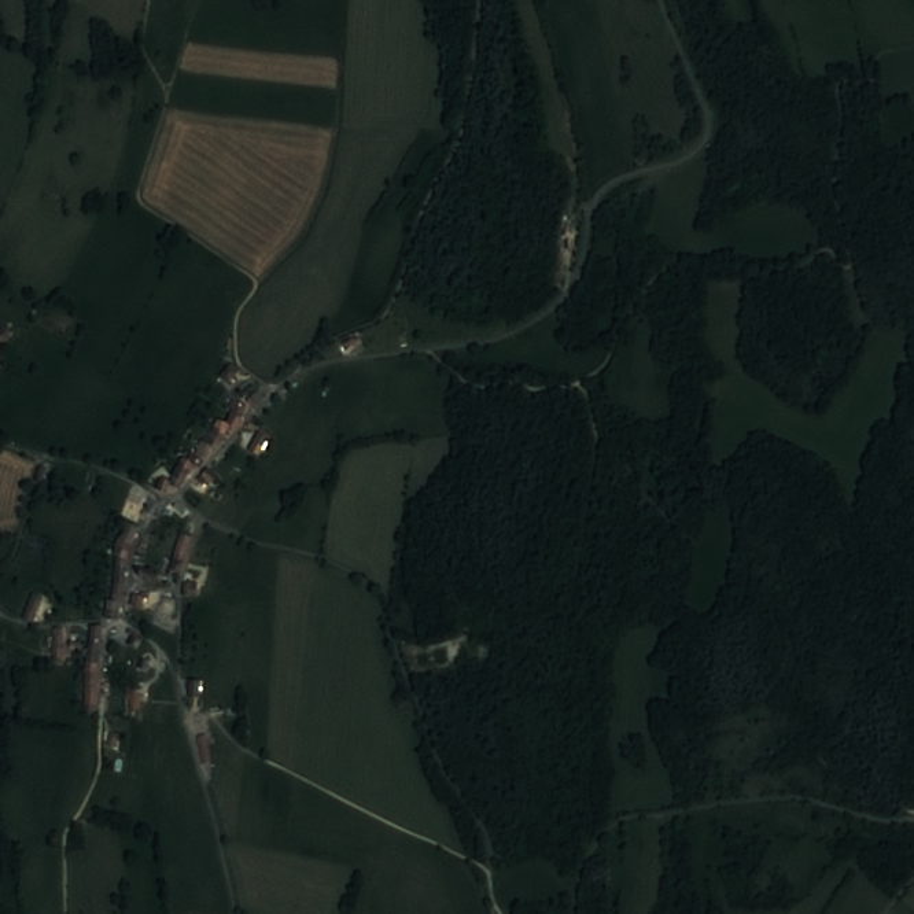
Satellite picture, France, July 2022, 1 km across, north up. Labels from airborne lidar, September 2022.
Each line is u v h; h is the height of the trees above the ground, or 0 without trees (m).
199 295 0
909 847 8
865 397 0
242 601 0
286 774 0
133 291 0
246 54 0
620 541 10
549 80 0
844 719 12
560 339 15
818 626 9
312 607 0
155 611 0
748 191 15
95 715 8
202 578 0
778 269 14
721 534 0
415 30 0
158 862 11
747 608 13
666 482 20
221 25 0
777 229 0
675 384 9
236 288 0
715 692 17
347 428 0
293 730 0
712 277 16
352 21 0
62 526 0
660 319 13
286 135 0
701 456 13
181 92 0
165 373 0
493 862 9
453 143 11
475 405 14
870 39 0
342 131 0
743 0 0
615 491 13
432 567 7
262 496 0
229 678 0
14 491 0
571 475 10
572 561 6
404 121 0
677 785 11
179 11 0
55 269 0
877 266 6
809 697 7
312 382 0
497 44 19
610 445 18
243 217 0
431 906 0
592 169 0
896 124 0
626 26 0
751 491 9
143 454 0
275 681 0
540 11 7
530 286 11
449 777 9
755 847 9
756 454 18
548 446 9
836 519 14
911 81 0
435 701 14
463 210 8
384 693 0
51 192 0
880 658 11
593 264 13
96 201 11
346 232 0
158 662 0
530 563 10
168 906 8
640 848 0
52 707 0
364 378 0
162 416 0
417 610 8
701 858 0
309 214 0
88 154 0
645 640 0
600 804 17
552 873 0
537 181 10
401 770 0
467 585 10
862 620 17
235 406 0
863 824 8
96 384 0
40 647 0
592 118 0
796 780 0
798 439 0
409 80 0
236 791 0
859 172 17
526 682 8
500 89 21
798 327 13
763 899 10
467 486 11
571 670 13
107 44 16
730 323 0
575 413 11
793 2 0
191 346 0
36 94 10
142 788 0
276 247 0
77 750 0
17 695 9
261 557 0
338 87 0
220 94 0
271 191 0
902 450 14
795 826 0
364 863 0
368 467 0
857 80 13
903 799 11
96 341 0
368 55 0
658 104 0
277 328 0
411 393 0
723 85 9
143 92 0
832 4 0
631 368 0
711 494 23
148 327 0
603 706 16
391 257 0
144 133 0
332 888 0
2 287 15
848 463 0
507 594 14
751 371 15
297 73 0
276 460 0
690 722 10
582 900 9
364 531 0
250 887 0
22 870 14
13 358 0
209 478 0
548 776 7
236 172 0
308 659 0
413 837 0
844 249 14
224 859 0
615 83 0
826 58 0
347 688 0
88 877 0
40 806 0
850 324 8
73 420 0
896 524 7
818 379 9
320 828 0
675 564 12
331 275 0
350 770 0
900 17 0
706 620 15
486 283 10
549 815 7
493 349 11
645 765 16
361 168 0
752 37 12
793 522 12
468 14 14
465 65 17
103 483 14
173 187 0
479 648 0
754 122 7
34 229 0
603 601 18
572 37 0
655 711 17
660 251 7
